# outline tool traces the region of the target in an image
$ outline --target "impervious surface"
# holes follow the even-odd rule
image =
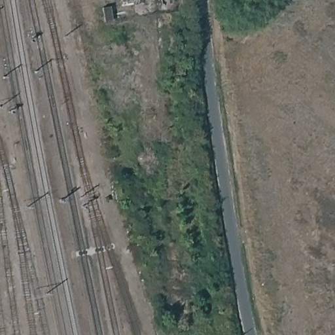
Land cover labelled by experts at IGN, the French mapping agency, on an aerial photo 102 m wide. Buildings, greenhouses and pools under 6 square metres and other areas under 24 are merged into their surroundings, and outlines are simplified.
[[[254,318],[250,315],[243,284],[216,90],[213,84],[212,54],[208,48],[212,34],[209,16],[207,0],[196,0],[202,37],[199,86],[202,88],[205,110],[208,110],[212,126],[217,183],[224,200],[222,203],[222,207],[237,297],[243,335],[255,335]]]

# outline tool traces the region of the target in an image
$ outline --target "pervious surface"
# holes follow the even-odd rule
[[[92,80],[85,75],[85,52],[76,50],[75,47],[75,33],[71,26],[71,10],[68,9],[67,0],[0,0],[0,335],[160,335],[154,328],[152,302],[145,297],[144,281],[137,275],[132,253],[128,250],[130,241],[127,229],[123,226],[126,216],[120,216],[115,198],[111,195],[114,190],[113,182],[106,177],[103,170],[103,160],[106,157],[101,154],[102,124],[97,115],[97,101],[93,92],[90,88]]]
[[[126,21],[126,14],[171,9],[174,7],[173,0],[105,0],[106,20],[116,22]]]

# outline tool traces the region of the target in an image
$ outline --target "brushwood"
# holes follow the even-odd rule
[[[209,157],[212,190],[217,202],[222,203],[224,200],[217,183],[212,126],[208,110],[205,110],[203,114],[196,116],[203,118],[202,128],[207,139],[205,150]]]
[[[143,166],[147,174],[153,174],[158,164],[157,157],[152,153],[150,156],[140,154],[137,162],[137,166]]]
[[[171,305],[165,294],[160,294],[164,309],[174,315],[174,321],[185,319],[190,326],[194,323],[192,313],[187,314],[183,311],[185,306],[179,302]]]
[[[228,255],[229,287],[232,288],[233,296],[237,297],[222,207],[216,209],[216,224],[222,226],[220,238],[224,239]]]

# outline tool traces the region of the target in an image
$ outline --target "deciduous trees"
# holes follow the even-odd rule
[[[216,14],[222,33],[247,35],[250,31],[270,26],[270,21],[293,0],[207,0],[209,16]]]
[[[102,38],[106,39],[106,41],[109,41],[107,42],[107,44],[115,43],[118,44],[118,46],[122,46],[122,30],[109,29],[103,31]]]
[[[233,296],[232,288],[229,287],[228,255],[224,239],[220,238],[222,226],[216,224],[216,209],[222,207],[222,203],[217,202],[212,190],[209,157],[205,150],[207,139],[202,128],[203,118],[196,116],[203,114],[205,110],[202,88],[199,86],[202,37],[196,0],[185,0],[185,3],[179,4],[178,12],[171,13],[170,24],[162,25],[157,33],[157,37],[162,38],[164,46],[158,50],[161,68],[157,69],[157,79],[153,86],[158,92],[170,94],[170,98],[166,98],[165,102],[167,124],[162,126],[167,130],[166,143],[160,140],[144,140],[143,132],[140,131],[140,124],[143,123],[140,105],[132,106],[126,113],[118,113],[116,102],[109,98],[107,89],[96,89],[93,92],[97,101],[97,115],[102,124],[101,154],[106,157],[103,160],[103,170],[106,177],[113,182],[114,190],[111,195],[115,198],[120,216],[126,216],[123,226],[127,229],[130,241],[128,250],[132,253],[137,275],[144,281],[145,297],[152,302],[154,328],[160,335],[243,335],[237,297]],[[143,166],[137,166],[137,162],[140,154],[150,156],[152,153],[157,157],[158,164],[153,174],[147,174]],[[194,323],[190,326],[185,319],[174,321],[174,315],[164,309],[160,294],[165,294],[171,305],[179,302],[185,306],[183,311],[187,314],[192,313]]]

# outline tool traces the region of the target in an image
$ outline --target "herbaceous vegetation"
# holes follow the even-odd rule
[[[270,21],[270,26],[250,31],[247,35],[222,33],[216,14],[209,16],[212,34],[208,48],[212,54],[213,84],[216,90],[243,284],[250,315],[254,318],[255,335],[335,335],[335,0],[293,0]]]
[[[162,25],[170,24],[171,13],[178,12],[179,4],[185,3],[185,0],[173,0],[174,7],[171,9],[126,14],[126,21],[116,22],[106,20],[105,0],[67,0],[68,9],[71,10],[71,26],[75,33],[75,47],[76,50],[85,52],[85,75],[92,80],[90,88],[93,92],[96,89],[107,89],[109,98],[116,102],[118,113],[126,113],[132,106],[140,105],[143,123],[140,124],[140,131],[143,132],[144,140],[160,140],[166,143],[167,130],[162,126],[167,124],[165,102],[166,98],[170,98],[170,94],[158,92],[153,86],[157,79],[157,69],[161,68],[158,50],[164,46],[162,38],[157,37],[157,33]],[[122,46],[118,46],[118,44],[115,43],[107,44],[107,42],[109,41],[106,41],[106,39],[102,38],[103,31],[109,29],[122,30]]]

